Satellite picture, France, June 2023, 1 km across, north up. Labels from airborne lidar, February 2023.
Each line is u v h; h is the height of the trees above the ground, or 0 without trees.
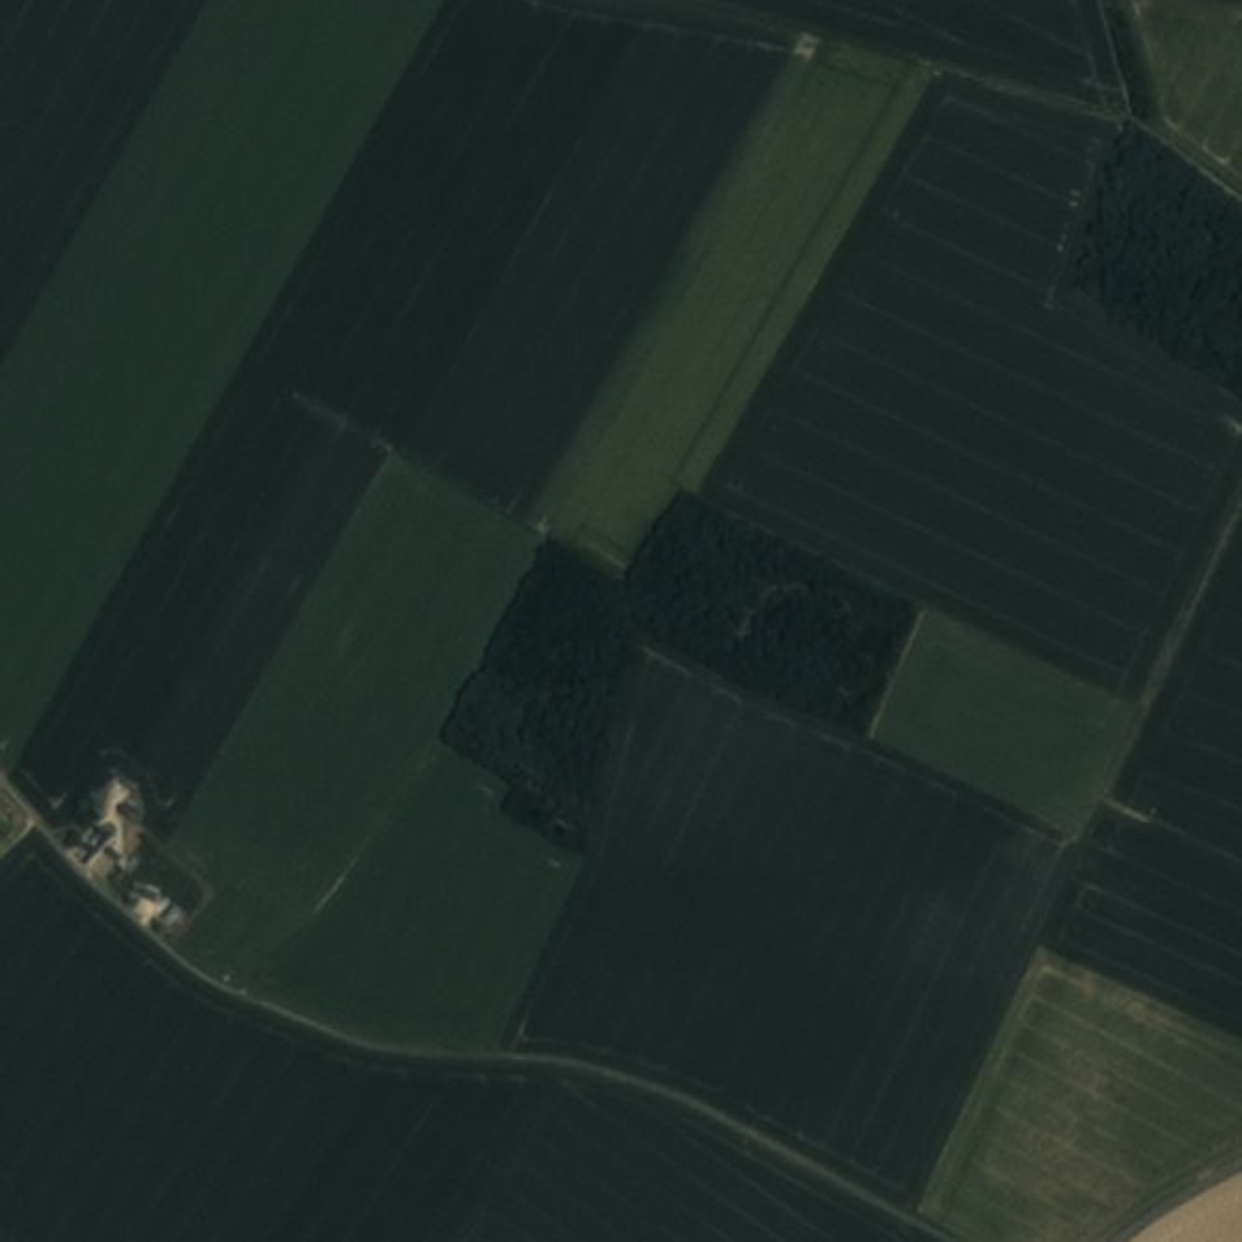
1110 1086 0
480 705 17
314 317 0
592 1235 0
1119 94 0
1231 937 0
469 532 0
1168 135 0
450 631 0
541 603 14
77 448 0
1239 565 0
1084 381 0
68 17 0
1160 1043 0
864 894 0
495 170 0
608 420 0
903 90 0
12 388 0
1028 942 0
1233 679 0
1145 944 0
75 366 0
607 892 0
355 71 0
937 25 0
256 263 0
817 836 0
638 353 0
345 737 0
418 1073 0
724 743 0
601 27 0
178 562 0
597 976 0
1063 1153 0
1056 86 0
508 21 0
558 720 9
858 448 0
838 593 6
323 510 0
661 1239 0
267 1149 0
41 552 0
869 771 0
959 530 0
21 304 0
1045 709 0
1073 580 0
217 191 0
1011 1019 0
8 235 0
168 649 0
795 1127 0
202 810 0
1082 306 0
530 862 0
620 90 0
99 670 0
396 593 0
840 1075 0
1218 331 20
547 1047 0
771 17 0
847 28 0
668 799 0
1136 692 0
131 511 0
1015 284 0
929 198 0
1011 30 0
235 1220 0
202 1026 0
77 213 0
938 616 0
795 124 0
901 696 0
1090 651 0
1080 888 0
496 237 0
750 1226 0
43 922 0
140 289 0
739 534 19
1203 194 20
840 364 0
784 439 0
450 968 0
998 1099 0
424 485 0
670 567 15
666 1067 0
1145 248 22
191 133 0
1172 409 0
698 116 0
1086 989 0
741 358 0
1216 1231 0
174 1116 0
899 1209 0
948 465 0
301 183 0
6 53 0
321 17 0
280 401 0
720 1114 0
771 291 0
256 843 0
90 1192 0
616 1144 0
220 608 0
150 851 0
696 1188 0
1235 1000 0
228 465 0
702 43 0
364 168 0
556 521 0
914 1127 0
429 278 0
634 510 0
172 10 0
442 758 0
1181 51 0
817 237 0
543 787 14
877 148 0
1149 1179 0
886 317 0
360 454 0
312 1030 0
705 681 0
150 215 0
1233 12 0
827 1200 0
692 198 0
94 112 0
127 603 0
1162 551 0
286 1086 0
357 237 0
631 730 0
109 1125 0
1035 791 0
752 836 0
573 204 0
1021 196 0
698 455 0
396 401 0
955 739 0
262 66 0
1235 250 21
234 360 0
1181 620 0
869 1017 0
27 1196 0
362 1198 0
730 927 0
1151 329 13
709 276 0
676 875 0
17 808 0
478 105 0
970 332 0
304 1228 0
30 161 0
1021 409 0
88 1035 0
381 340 0
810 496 0
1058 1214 0
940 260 0
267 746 0
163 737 0
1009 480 0
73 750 0
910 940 0
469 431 0
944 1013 0
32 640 0
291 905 0
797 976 0
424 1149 0
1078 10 0
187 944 0
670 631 20
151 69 0
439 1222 0
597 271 0
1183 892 0
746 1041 0
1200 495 0
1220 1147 0
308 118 0
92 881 0
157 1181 0
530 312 0
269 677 0
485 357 0
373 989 0
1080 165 0
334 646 0
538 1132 0
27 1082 0
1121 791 0
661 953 0
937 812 0
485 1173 0
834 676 13
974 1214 0
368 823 0
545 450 0
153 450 0
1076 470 0
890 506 0
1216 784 0
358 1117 0
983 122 0
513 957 0
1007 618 0
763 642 13
